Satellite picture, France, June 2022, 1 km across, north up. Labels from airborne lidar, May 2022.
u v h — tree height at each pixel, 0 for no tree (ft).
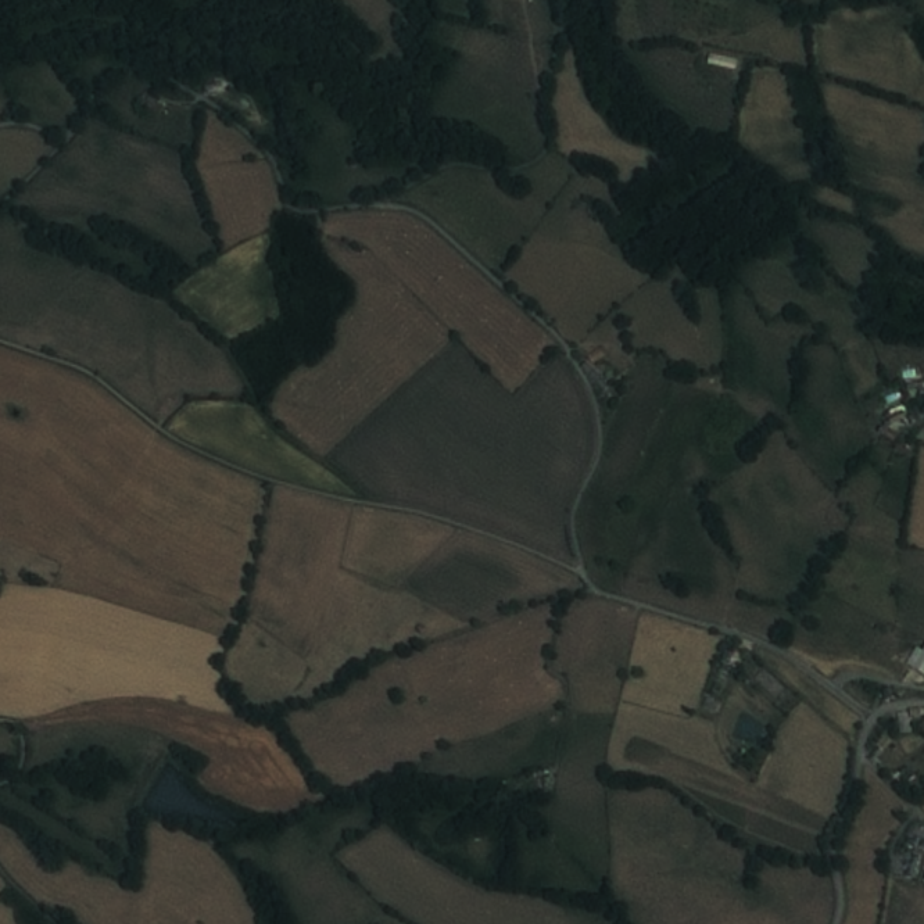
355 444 0
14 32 65
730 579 0
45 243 25
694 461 0
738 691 0
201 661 0
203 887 0
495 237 0
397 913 32
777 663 0
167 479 0
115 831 0
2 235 0
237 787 0
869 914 0
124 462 0
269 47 81
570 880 0
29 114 54
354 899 0
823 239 0
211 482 0
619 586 0
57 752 0
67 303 0
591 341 0
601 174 79
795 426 0
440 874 0
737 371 0
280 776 0
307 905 0
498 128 0
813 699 0
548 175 0
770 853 60
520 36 0
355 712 0
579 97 0
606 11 68
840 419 0
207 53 85
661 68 0
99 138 0
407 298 0
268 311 0
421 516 0
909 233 0
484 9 32
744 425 0
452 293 0
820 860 41
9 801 0
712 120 0
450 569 0
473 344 0
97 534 0
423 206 0
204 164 0
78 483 0
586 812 0
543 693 0
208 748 0
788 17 47
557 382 0
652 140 46
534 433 0
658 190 24
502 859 27
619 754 0
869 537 0
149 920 0
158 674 0
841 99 0
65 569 0
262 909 58
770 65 29
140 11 53
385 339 0
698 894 0
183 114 0
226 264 0
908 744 0
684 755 0
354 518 0
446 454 0
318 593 0
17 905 0
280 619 0
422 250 0
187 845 0
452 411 0
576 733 0
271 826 53
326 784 70
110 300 0
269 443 0
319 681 0
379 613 0
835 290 0
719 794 0
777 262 0
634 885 0
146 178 0
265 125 0
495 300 0
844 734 0
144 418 0
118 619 0
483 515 0
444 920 0
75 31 34
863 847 0
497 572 0
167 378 0
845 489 39
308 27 78
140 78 51
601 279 0
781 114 0
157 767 0
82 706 0
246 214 0
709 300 0
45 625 0
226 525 0
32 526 0
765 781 0
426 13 55
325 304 30
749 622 0
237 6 69
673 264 31
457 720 0
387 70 73
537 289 0
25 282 0
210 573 0
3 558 0
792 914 0
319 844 0
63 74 43
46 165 48
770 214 78
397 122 43
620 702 0
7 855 0
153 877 0
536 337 0
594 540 0
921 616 0
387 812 55
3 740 0
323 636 0
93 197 0
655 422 0
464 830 55
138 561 0
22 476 0
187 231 0
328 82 73
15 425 0
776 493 0
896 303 48
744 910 0
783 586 0
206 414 0
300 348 36
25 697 0
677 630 0
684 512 0
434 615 0
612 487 0
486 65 0
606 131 0
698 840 0
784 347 0
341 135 0
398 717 0
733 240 64
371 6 0
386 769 0
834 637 0
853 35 0
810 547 0
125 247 57
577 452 0
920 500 0
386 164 27
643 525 0
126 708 0
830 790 0
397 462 0
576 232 0
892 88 0
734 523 0
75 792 39
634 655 0
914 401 18
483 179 0
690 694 0
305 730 0
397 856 0
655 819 0
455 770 0
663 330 0
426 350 0
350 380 0
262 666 0
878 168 0
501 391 0
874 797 0
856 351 0
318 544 0
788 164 0
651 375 0
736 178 71
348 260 0
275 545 0
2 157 0
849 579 0
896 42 0
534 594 0
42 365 0
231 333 0
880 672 0
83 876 0
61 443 0
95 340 0
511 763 0
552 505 0
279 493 0
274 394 34
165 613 0
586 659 0
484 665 0
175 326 0
